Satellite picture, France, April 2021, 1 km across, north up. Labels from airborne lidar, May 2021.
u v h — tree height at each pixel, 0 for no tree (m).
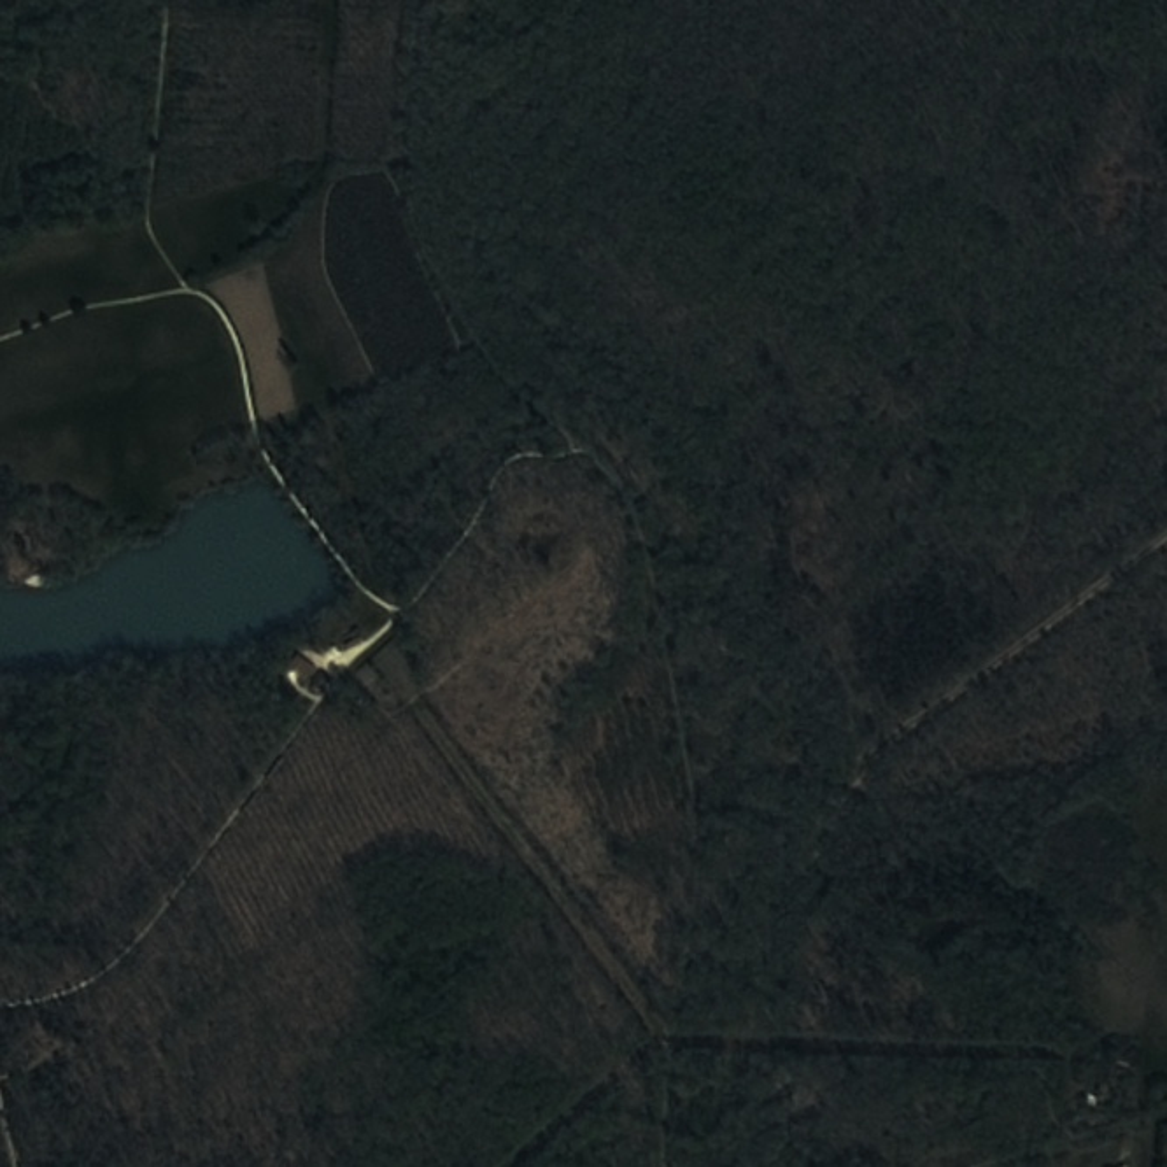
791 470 12
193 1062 22
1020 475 20
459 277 18
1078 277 14
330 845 22
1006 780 16
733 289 19
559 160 22
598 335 16
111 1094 13
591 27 24
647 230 19
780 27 16
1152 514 14
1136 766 22
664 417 28
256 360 0
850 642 16
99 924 8
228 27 13
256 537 0
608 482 27
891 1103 15
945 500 18
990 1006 17
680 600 17
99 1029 9
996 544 11
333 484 22
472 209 23
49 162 8
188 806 20
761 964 22
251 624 0
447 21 19
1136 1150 0
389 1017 18
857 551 10
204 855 15
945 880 20
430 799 21
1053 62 14
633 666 14
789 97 16
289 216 9
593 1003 23
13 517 19
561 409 28
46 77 12
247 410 0
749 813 26
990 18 17
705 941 27
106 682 25
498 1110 25
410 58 21
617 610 25
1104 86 11
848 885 24
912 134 19
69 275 0
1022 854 19
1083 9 15
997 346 23
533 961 21
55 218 25
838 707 21
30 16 12
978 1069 20
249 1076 25
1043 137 14
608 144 25
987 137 13
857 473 12
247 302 0
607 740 10
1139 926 0
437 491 27
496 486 21
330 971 28
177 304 0
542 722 21
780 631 19
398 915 24
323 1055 27
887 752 17
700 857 19
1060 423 16
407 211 17
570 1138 25
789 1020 24
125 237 0
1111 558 12
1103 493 13
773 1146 23
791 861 25
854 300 16
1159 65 17
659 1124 26
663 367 14
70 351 0
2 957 17
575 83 24
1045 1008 20
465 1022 21
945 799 24
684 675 14
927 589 15
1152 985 0
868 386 12
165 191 11
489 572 27
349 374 0
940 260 16
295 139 13
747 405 20
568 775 15
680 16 16
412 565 18
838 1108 15
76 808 20
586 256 17
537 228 23
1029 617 8
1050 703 10
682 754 16
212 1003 22
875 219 22
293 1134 21
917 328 15
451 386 14
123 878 24
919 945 21
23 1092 16
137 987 23
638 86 13
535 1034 21
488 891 22
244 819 18
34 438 0
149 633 0
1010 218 10
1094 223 11
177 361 0
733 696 22
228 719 21
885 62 16
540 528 17
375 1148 21
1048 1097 16
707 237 18
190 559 0
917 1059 14
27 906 25
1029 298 19
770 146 17
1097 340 21
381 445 22
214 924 21
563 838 0
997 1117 17
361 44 16
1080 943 15
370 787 16
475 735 0
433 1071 27
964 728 13
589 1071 19
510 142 24
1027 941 14
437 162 23
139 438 0
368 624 0
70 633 0
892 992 22
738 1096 12
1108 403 9
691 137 18
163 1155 16
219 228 0
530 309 21
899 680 13
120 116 20
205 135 12
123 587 0
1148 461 15
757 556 22
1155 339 17
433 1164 20
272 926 21
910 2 17
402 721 18
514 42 25
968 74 18
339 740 18
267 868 20
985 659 11
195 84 11
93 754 24
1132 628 11
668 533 14
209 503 0
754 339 20
